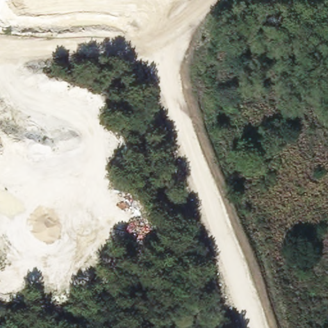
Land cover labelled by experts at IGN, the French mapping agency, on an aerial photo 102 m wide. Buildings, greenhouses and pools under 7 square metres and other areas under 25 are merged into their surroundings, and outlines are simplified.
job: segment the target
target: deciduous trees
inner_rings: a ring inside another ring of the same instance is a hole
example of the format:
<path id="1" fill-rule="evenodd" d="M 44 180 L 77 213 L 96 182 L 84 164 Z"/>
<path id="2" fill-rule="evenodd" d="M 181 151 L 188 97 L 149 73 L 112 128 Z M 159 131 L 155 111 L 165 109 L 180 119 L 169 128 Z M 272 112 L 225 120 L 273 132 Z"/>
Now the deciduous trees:
<path id="1" fill-rule="evenodd" d="M 322 256 L 315 254 L 313 245 L 307 238 L 288 236 L 286 233 L 281 256 L 284 266 L 293 266 L 296 277 L 300 279 L 311 277 L 313 266 L 318 265 Z"/>

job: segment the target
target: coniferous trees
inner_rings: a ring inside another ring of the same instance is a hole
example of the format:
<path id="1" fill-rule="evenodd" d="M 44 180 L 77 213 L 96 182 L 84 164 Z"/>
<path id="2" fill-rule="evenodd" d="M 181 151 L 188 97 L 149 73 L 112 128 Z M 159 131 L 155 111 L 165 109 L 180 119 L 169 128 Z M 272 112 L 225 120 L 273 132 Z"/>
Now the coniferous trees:
<path id="1" fill-rule="evenodd" d="M 45 293 L 40 299 L 24 302 L 22 293 L 17 292 L 17 296 L 10 301 L 0 300 L 0 328 L 249 328 L 249 320 L 245 315 L 238 313 L 236 307 L 225 304 L 219 283 L 217 245 L 201 222 L 199 197 L 188 186 L 190 167 L 187 159 L 177 154 L 177 132 L 173 120 L 168 118 L 168 111 L 160 104 L 159 77 L 155 63 L 147 65 L 145 61 L 137 60 L 135 49 L 126 38 L 120 36 L 106 37 L 102 42 L 81 44 L 74 54 L 69 54 L 64 47 L 58 47 L 53 54 L 53 63 L 42 72 L 49 78 L 86 88 L 92 94 L 104 97 L 105 105 L 100 110 L 100 124 L 124 140 L 123 145 L 114 150 L 106 165 L 109 188 L 120 192 L 137 193 L 142 208 L 149 211 L 150 232 L 143 238 L 137 238 L 135 234 L 128 232 L 126 222 L 115 224 L 109 240 L 97 251 L 97 264 L 86 270 L 78 270 L 77 274 L 73 275 L 68 300 L 61 304 L 53 300 L 51 293 Z"/>
<path id="2" fill-rule="evenodd" d="M 290 88 L 288 95 L 296 97 L 297 101 L 301 102 L 313 100 L 320 94 L 320 104 L 328 105 L 328 0 L 237 0 L 240 5 L 234 6 L 231 10 L 224 10 L 214 17 L 219 27 L 219 31 L 215 33 L 217 40 L 222 37 L 231 44 L 238 42 L 242 53 L 251 50 L 252 45 L 259 44 L 268 58 L 274 58 L 277 64 L 288 65 L 287 72 L 281 72 L 279 77 L 283 87 Z"/>

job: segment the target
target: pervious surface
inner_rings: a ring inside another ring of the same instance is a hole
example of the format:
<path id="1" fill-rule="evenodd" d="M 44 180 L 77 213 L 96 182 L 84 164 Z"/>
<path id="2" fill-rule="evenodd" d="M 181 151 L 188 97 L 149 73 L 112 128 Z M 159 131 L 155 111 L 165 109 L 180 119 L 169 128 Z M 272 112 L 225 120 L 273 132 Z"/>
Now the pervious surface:
<path id="1" fill-rule="evenodd" d="M 124 140 L 100 124 L 100 110 L 105 105 L 104 97 L 92 94 L 86 88 L 49 78 L 42 72 L 53 63 L 53 54 L 58 47 L 64 47 L 69 54 L 74 54 L 81 44 L 102 42 L 106 37 L 120 36 L 126 38 L 135 49 L 137 60 L 145 61 L 147 65 L 155 63 L 159 77 L 160 104 L 168 111 L 168 118 L 173 120 L 177 132 L 177 154 L 187 159 L 190 167 L 188 186 L 199 197 L 201 222 L 217 245 L 219 283 L 225 304 L 236 307 L 238 313 L 245 315 L 249 320 L 249 328 L 275 328 L 259 266 L 243 233 L 240 219 L 234 206 L 220 196 L 225 191 L 225 182 L 215 163 L 204 127 L 197 104 L 191 94 L 191 83 L 188 79 L 188 67 L 193 51 L 188 49 L 188 44 L 192 32 L 218 0 L 0 0 L 0 300 L 10 301 L 17 296 L 17 292 L 22 293 L 24 302 L 40 299 L 45 293 L 51 293 L 53 300 L 61 304 L 68 300 L 73 275 L 77 274 L 78 270 L 86 270 L 97 264 L 97 251 L 109 240 L 115 224 L 126 222 L 128 232 L 135 234 L 137 238 L 143 238 L 150 232 L 149 211 L 142 208 L 137 193 L 120 192 L 109 188 L 106 165 L 114 150 L 123 145 Z"/>

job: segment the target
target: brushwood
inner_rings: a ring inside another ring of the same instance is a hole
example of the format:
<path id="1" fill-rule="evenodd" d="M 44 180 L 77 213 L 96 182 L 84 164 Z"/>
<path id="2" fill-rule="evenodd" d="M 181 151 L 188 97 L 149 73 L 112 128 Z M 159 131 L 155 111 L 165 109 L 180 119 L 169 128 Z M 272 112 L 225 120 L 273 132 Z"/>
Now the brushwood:
<path id="1" fill-rule="evenodd" d="M 287 307 L 286 318 L 291 328 L 328 328 L 328 213 L 322 215 L 322 220 L 327 220 L 327 227 L 316 229 L 319 238 L 323 240 L 322 256 L 318 265 L 313 266 L 311 277 L 300 279 L 296 277 L 293 266 L 284 266 L 281 256 L 272 261 L 277 270 L 272 273 L 272 277 L 278 279 L 275 288 L 282 291 L 283 304 Z"/>
<path id="2" fill-rule="evenodd" d="M 224 53 L 225 69 L 238 76 L 245 69 L 247 59 L 240 58 L 240 55 L 233 58 L 232 55 Z"/>
<path id="3" fill-rule="evenodd" d="M 213 123 L 218 114 L 233 113 L 236 109 L 234 106 L 243 101 L 241 92 L 236 87 L 219 90 L 214 94 L 202 95 L 202 101 L 197 104 L 204 127 L 205 124 Z"/>
<path id="4" fill-rule="evenodd" d="M 261 123 L 254 126 L 245 124 L 242 136 L 232 141 L 232 150 L 265 155 L 258 132 L 261 127 L 270 129 L 278 138 L 283 137 L 284 142 L 299 140 L 302 128 L 300 118 L 287 118 L 281 113 L 275 113 L 270 117 L 264 117 Z"/>

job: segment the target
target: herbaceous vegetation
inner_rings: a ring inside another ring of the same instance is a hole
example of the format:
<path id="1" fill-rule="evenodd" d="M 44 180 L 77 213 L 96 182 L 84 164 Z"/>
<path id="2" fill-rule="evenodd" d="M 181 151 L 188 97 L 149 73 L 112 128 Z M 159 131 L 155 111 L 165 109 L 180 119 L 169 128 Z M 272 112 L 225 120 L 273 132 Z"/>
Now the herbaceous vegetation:
<path id="1" fill-rule="evenodd" d="M 275 328 L 291 328 L 286 318 L 287 307 L 283 304 L 282 291 L 275 288 L 278 279 L 272 277 L 272 273 L 277 270 L 272 261 L 281 256 L 286 233 L 288 236 L 307 238 L 313 245 L 315 254 L 322 256 L 323 240 L 319 238 L 316 229 L 327 227 L 327 220 L 322 220 L 322 215 L 328 213 L 328 105 L 320 104 L 320 94 L 313 100 L 301 102 L 297 101 L 296 97 L 288 95 L 290 88 L 283 87 L 279 77 L 281 72 L 287 72 L 288 65 L 277 64 L 274 58 L 268 58 L 259 44 L 252 45 L 251 50 L 242 53 L 238 42 L 231 44 L 222 37 L 217 40 L 215 33 L 219 31 L 219 27 L 214 17 L 224 10 L 231 10 L 234 6 L 240 5 L 237 0 L 218 0 L 192 32 L 188 44 L 188 49 L 193 51 L 188 67 L 188 79 L 191 83 L 191 94 L 197 104 L 202 101 L 202 95 L 214 94 L 219 90 L 236 87 L 241 92 L 243 101 L 234 106 L 236 109 L 233 113 L 218 114 L 213 123 L 205 124 L 204 127 L 215 163 L 225 182 L 225 191 L 220 196 L 234 206 L 240 219 L 243 233 L 259 266 Z M 232 55 L 233 58 L 240 55 L 240 58 L 247 59 L 245 69 L 238 76 L 225 69 L 224 53 Z M 300 118 L 302 128 L 299 140 L 284 142 L 283 137 L 278 138 L 270 129 L 261 127 L 258 132 L 265 155 L 232 150 L 232 141 L 242 136 L 245 124 L 254 126 L 261 123 L 264 117 L 270 117 L 275 113 L 281 113 L 287 118 Z"/>

